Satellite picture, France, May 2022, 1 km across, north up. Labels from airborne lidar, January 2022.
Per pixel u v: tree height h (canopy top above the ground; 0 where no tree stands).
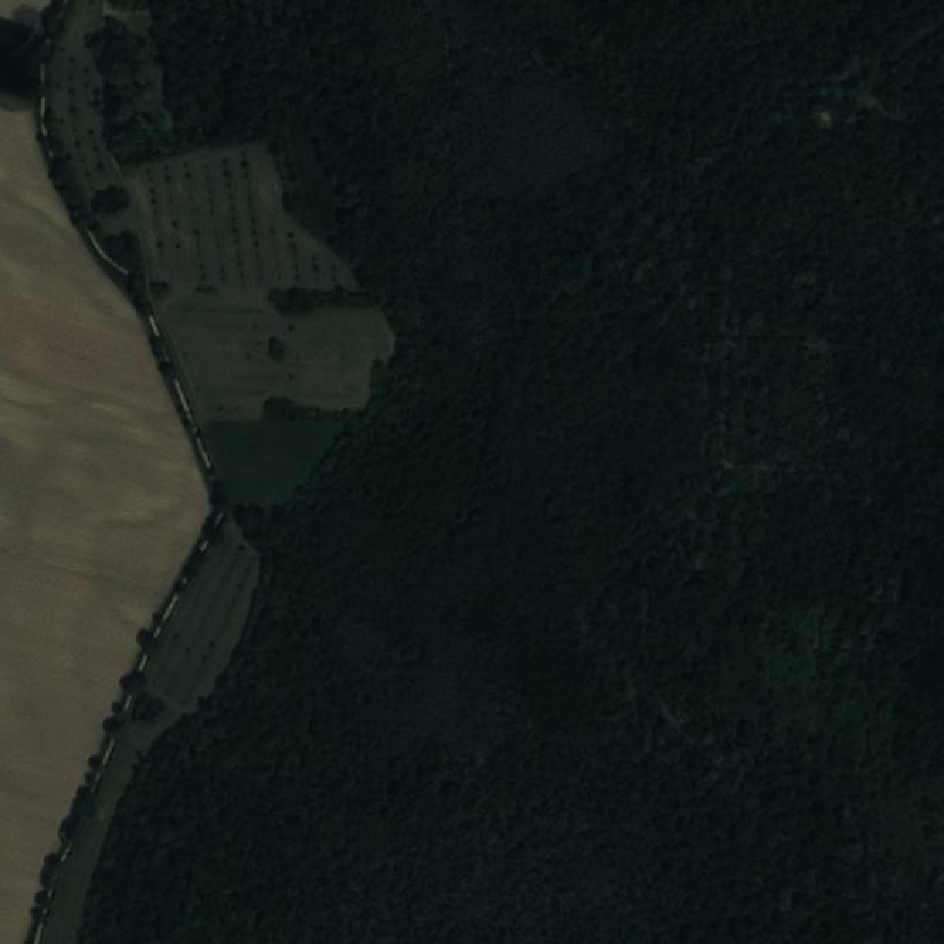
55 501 0
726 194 14
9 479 0
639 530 7
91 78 0
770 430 8
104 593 0
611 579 9
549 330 19
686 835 19
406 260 15
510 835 23
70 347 0
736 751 19
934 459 17
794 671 10
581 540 10
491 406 6
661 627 9
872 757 14
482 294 18
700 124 0
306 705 18
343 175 18
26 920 0
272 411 7
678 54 11
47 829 0
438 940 14
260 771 18
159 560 0
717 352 9
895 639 26
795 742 9
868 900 15
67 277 0
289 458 0
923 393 6
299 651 17
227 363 0
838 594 12
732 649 17
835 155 21
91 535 0
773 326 15
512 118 15
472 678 16
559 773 19
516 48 17
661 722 17
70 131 0
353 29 17
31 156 0
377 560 9
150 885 25
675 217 17
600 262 18
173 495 0
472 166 19
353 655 18
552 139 16
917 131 17
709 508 15
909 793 17
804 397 7
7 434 0
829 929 17
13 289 0
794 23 15
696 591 18
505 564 18
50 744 0
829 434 11
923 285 18
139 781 9
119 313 0
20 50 0
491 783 23
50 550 0
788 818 22
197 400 0
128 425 0
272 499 0
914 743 16
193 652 0
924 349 22
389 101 14
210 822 20
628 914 20
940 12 16
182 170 0
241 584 0
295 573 14
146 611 0
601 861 19
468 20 18
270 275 0
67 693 0
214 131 19
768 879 9
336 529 24
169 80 10
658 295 14
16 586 0
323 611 7
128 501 0
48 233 0
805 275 20
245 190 0
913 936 16
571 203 16
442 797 18
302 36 24
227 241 0
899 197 13
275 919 7
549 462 7
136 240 15
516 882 20
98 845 0
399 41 16
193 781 24
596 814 15
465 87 19
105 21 0
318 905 17
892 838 18
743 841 10
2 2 0
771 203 13
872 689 18
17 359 0
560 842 20
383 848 14
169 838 19
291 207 16
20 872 0
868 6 20
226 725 18
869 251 15
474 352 17
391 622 18
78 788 0
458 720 16
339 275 0
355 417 8
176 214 0
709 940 20
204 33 20
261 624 17
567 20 16
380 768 13
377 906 14
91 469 0
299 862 15
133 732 0
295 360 0
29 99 0
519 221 16
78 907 0
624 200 17
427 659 15
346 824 14
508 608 16
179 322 0
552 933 19
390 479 12
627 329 13
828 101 22
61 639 0
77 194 17
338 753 22
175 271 0
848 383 20
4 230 0
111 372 0
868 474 13
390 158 19
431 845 19
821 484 17
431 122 19
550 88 17
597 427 6
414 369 6
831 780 17
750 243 17
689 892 18
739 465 11
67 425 0
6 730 0
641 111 14
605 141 17
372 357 0
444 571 23
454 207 18
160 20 19
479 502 10
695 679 15
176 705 0
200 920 20
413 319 19
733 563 20
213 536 15
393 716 16
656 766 18
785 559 9
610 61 20
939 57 17
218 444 0
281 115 14
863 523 16
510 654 16
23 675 0
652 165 16
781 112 25
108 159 0
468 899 16
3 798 0
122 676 0
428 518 7
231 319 0
